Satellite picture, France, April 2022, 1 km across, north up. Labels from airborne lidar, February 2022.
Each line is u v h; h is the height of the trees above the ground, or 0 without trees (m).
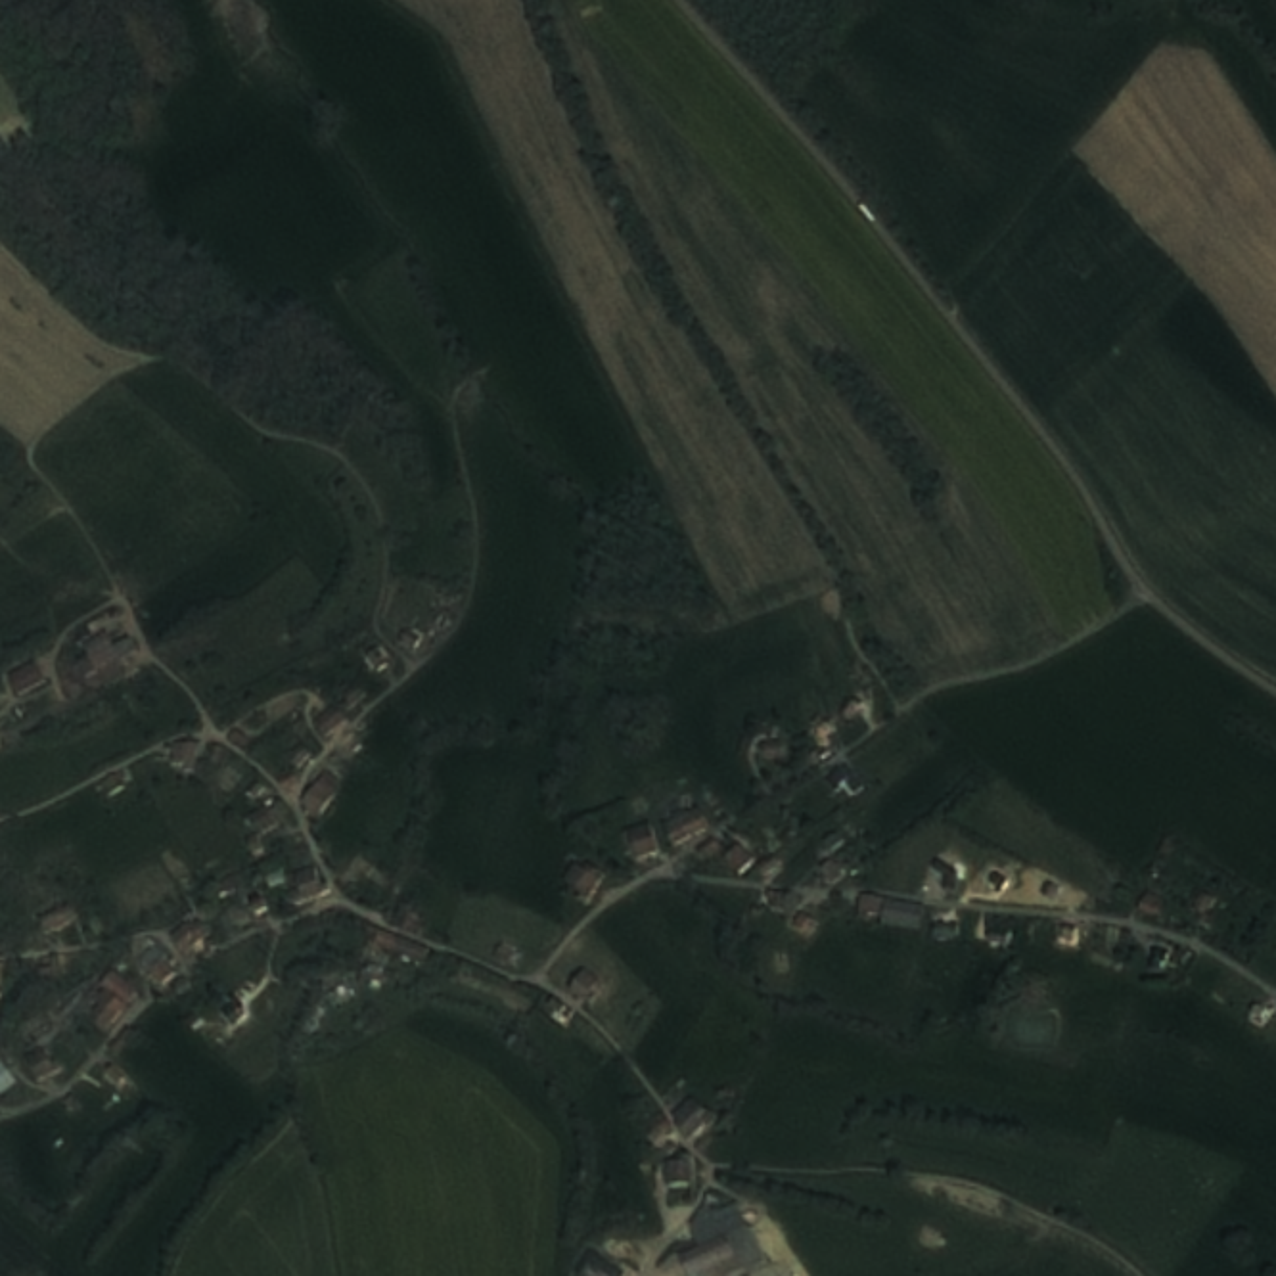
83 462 0
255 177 0
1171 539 0
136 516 0
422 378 0
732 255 0
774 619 0
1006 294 0
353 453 0
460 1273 0
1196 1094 0
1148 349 0
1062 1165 0
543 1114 0
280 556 0
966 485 0
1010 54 0
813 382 0
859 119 0
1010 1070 0
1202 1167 0
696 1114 0
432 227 0
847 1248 0
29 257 9
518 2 0
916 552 0
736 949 16
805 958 0
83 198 30
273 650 0
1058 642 0
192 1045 0
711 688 0
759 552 0
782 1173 0
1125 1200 0
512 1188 0
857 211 0
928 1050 0
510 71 0
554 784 11
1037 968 0
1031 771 0
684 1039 0
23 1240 0
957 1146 0
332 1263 0
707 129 0
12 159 21
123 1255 0
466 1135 0
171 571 0
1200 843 0
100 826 0
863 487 0
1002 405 0
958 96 0
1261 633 0
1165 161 0
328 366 23
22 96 12
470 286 0
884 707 0
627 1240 0
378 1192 0
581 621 0
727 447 0
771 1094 0
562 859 0
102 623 0
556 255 0
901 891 0
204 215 0
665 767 0
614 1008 0
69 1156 0
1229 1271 0
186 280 24
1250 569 0
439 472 0
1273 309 0
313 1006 14
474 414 0
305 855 0
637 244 16
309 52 0
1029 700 0
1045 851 0
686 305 12
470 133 0
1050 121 0
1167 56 0
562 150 0
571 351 0
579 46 0
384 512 0
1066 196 0
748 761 0
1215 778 0
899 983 0
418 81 0
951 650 0
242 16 0
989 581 0
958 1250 0
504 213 0
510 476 0
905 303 0
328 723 0
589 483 0
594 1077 0
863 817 0
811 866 0
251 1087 0
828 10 15
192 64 23
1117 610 0
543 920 0
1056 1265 0
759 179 0
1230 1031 0
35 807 0
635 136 0
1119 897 10
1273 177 0
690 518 0
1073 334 0
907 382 0
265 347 24
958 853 0
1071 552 0
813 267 0
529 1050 15
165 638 9
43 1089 0
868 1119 8
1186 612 0
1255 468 0
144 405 0
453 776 0
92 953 12
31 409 0
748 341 0
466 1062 0
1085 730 0
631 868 8
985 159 0
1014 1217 15
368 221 0
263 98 0
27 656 14
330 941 8
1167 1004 0
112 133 24
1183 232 0
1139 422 0
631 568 23
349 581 9
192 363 25
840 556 13
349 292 0
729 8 14
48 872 6
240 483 0
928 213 0
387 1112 0
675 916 0
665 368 0
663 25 0
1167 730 0
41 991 18
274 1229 0
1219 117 0
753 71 13
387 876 14
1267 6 0
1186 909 8
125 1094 0
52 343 0
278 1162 0
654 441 0
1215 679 0
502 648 0
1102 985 0
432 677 0
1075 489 0
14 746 12
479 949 0
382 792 0
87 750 0
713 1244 0
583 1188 13
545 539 0
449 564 0
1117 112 0
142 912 0
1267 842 0
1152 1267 0
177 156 0
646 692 0
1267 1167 0
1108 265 0
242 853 0
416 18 0
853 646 0
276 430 13
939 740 9
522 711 0
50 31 22
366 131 0
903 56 0
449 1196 0
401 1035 0
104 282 19
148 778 0
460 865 0
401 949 0
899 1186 15
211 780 12
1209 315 0
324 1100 0
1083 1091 0
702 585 19
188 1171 0
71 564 0
